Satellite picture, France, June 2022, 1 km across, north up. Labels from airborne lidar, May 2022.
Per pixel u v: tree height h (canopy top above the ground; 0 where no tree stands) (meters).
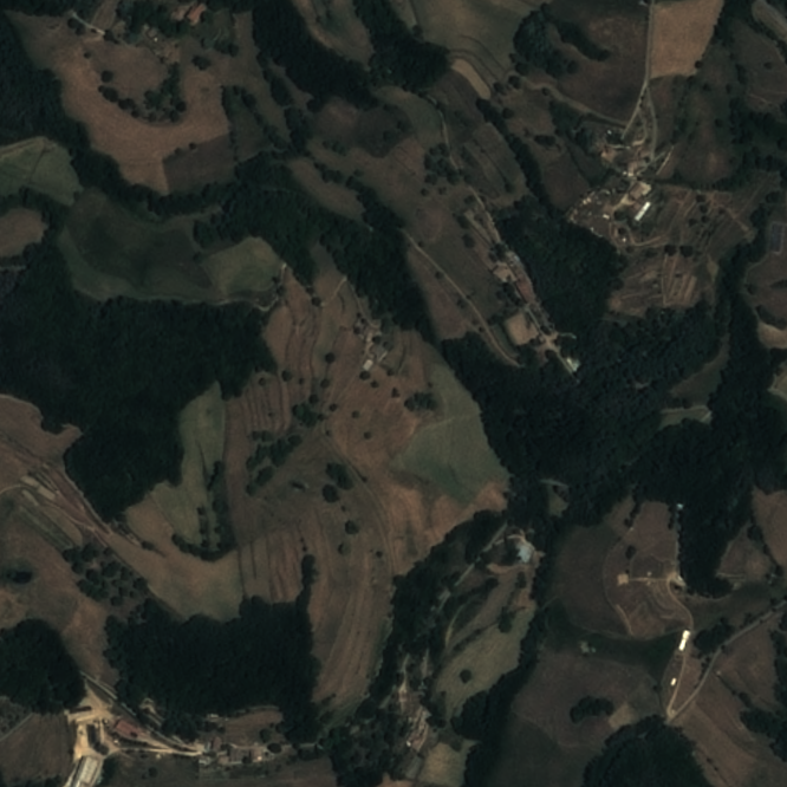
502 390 19
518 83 13
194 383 16
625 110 0
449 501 0
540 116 0
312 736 23
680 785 15
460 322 0
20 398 12
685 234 0
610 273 17
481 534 10
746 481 20
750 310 13
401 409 0
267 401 0
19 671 20
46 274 17
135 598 10
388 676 12
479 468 0
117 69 0
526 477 22
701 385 0
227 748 9
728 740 0
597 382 18
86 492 13
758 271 0
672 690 0
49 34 0
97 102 0
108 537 0
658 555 0
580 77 0
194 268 0
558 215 11
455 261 0
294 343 0
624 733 16
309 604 17
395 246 17
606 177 7
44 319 22
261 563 0
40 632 25
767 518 0
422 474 0
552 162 0
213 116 0
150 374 25
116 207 0
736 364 21
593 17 0
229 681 24
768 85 0
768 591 0
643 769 17
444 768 0
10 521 0
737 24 0
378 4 9
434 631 11
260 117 16
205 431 0
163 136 0
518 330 0
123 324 24
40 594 0
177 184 0
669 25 0
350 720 6
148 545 9
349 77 16
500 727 14
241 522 0
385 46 17
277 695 17
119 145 0
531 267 18
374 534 0
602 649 0
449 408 0
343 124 0
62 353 21
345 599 0
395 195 0
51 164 0
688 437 25
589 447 27
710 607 0
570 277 12
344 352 0
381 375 0
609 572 0
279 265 0
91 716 0
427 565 7
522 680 18
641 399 19
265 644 17
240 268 0
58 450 0
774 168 28
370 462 0
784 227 0
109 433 20
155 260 0
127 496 16
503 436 29
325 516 0
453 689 0
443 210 0
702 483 21
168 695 14
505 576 0
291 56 17
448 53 9
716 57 0
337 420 0
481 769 21
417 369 0
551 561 13
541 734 0
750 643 0
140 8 19
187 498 0
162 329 22
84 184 12
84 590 11
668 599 0
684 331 20
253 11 22
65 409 14
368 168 0
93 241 0
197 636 16
